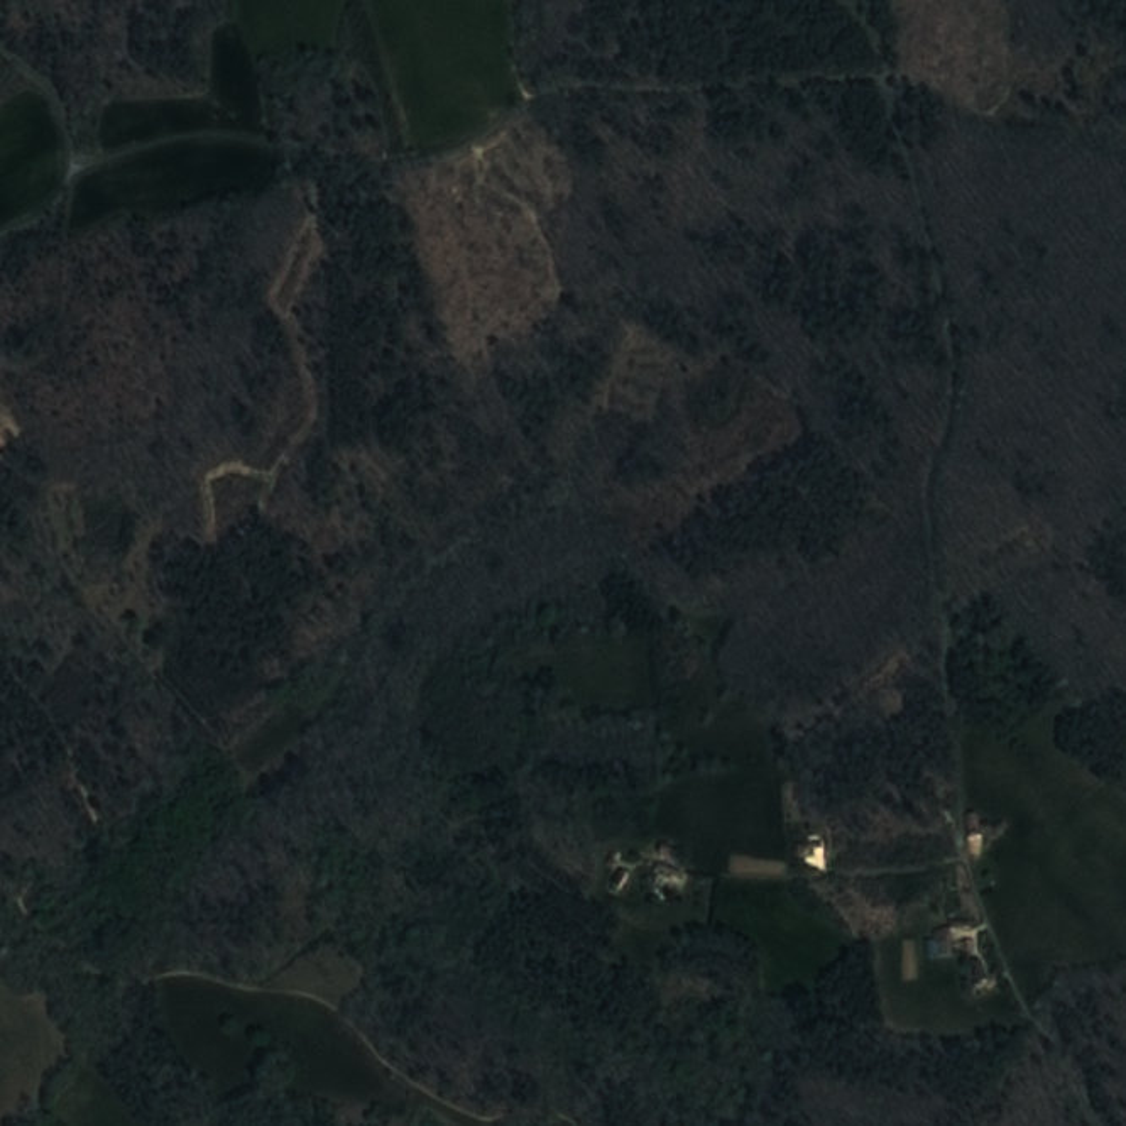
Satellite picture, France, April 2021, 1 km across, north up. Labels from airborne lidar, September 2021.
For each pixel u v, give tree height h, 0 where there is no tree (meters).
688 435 18
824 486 27
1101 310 20
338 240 20
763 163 20
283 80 12
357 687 12
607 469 19
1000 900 0
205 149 0
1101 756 27
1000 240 18
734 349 21
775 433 7
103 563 9
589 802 14
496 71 0
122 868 18
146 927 22
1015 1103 11
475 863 11
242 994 0
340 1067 0
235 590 20
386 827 20
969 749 0
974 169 18
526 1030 14
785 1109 27
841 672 13
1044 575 13
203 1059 0
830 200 14
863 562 15
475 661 9
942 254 15
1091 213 21
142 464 14
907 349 24
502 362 14
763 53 12
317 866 17
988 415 18
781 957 0
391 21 0
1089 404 17
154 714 20
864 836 22
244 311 17
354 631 23
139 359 8
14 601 12
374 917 13
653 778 15
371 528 16
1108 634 12
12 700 20
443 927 12
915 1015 0
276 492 7
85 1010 19
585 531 18
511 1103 7
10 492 28
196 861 15
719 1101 18
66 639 12
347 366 18
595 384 27
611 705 0
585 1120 17
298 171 10
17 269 9
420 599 19
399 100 0
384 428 23
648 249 13
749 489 16
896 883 6
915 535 15
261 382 13
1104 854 0
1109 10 0
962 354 21
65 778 6
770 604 16
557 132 19
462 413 22
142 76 8
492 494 18
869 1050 14
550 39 13
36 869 15
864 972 10
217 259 18
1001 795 0
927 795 26
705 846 0
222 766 18
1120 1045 15
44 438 10
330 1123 8
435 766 21
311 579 21
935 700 20
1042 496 18
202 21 21
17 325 8
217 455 14
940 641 14
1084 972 10
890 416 19
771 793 0
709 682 0
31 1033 0
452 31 0
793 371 18
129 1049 23
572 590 11
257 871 16
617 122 18
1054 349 19
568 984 24
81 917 15
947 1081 26
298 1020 0
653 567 19
